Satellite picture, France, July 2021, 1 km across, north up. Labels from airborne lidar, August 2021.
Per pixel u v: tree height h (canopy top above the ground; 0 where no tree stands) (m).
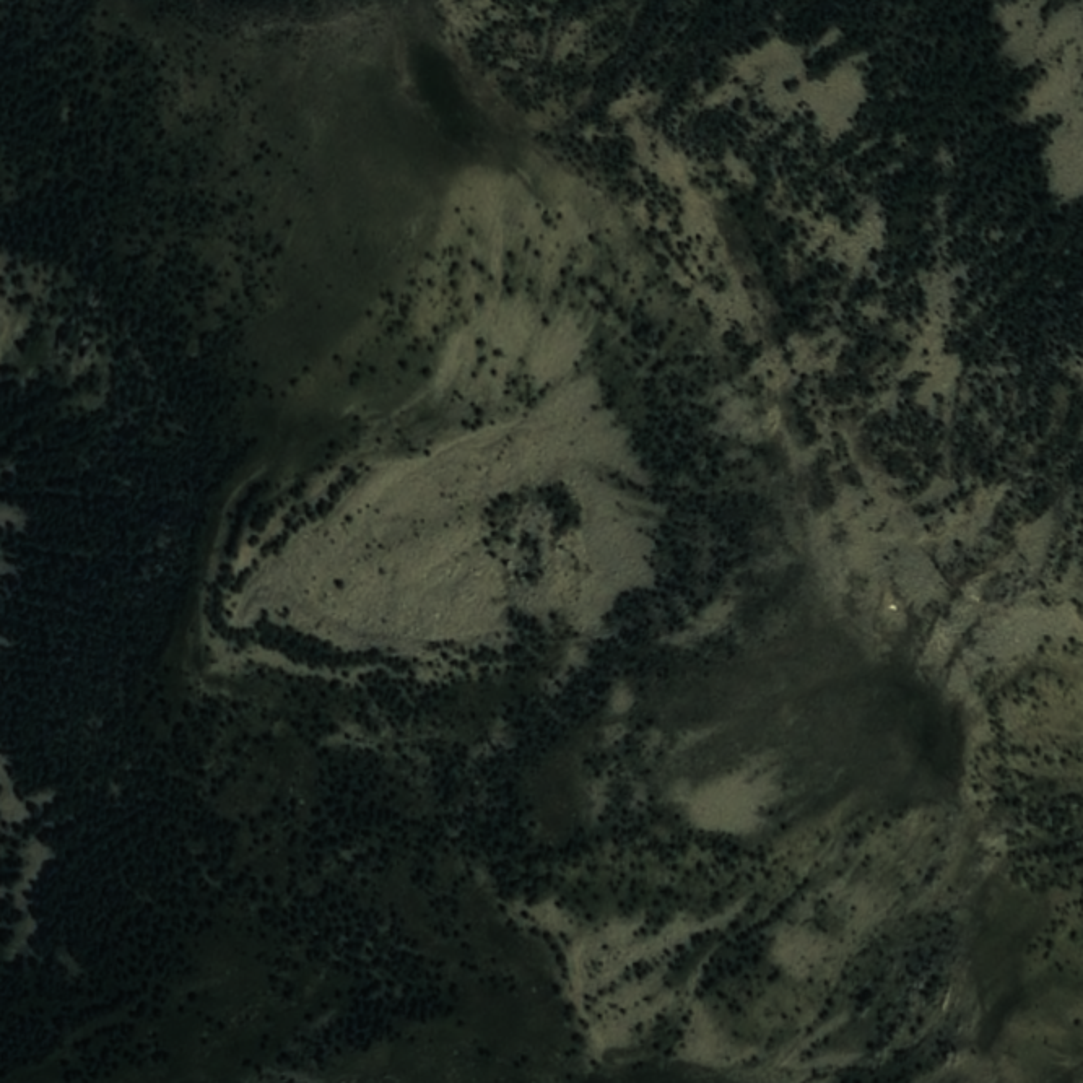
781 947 0
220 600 9
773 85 0
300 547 0
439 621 0
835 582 0
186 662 0
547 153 0
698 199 0
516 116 0
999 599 0
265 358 0
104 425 8
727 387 0
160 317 12
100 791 10
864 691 0
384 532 0
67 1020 12
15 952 0
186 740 11
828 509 0
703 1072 0
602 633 0
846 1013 0
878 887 0
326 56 0
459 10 0
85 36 8
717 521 8
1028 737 0
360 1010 9
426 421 0
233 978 0
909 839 0
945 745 0
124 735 7
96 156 9
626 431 0
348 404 0
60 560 18
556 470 0
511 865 10
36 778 13
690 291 7
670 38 6
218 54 0
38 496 11
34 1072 0
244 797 0
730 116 6
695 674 0
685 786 0
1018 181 16
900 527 0
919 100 15
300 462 0
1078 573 0
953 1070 0
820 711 0
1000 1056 0
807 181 11
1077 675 0
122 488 9
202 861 10
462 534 0
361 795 12
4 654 10
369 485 0
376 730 8
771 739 0
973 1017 0
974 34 14
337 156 0
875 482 0
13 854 14
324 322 0
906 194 16
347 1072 0
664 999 0
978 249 10
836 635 0
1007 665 0
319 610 0
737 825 0
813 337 0
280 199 0
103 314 7
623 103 0
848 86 0
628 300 0
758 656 0
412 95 0
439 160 0
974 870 0
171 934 14
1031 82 8
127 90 7
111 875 6
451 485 0
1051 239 14
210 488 9
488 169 0
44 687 11
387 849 12
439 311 0
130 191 7
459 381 0
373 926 9
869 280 13
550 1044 0
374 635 0
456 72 0
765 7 5
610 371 0
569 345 0
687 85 11
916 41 12
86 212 8
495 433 0
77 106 13
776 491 0
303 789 0
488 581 0
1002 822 0
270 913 13
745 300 0
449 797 8
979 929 0
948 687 0
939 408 0
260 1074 9
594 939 0
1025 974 0
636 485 8
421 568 0
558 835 0
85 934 13
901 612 0
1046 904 0
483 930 0
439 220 0
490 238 0
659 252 6
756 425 0
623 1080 0
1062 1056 0
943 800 0
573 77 10
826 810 0
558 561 0
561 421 0
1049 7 6
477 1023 0
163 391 8
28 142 10
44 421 14
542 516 0
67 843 14
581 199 0
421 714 11
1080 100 0
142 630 9
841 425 0
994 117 13
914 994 0
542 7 8
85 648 8
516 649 11
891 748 0
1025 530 0
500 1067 0
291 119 0
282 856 0
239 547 8
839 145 7
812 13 7
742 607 0
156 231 10
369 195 0
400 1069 0
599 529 0
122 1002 11
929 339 0
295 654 7
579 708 6
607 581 0
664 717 0
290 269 0
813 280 14
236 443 6
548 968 0
